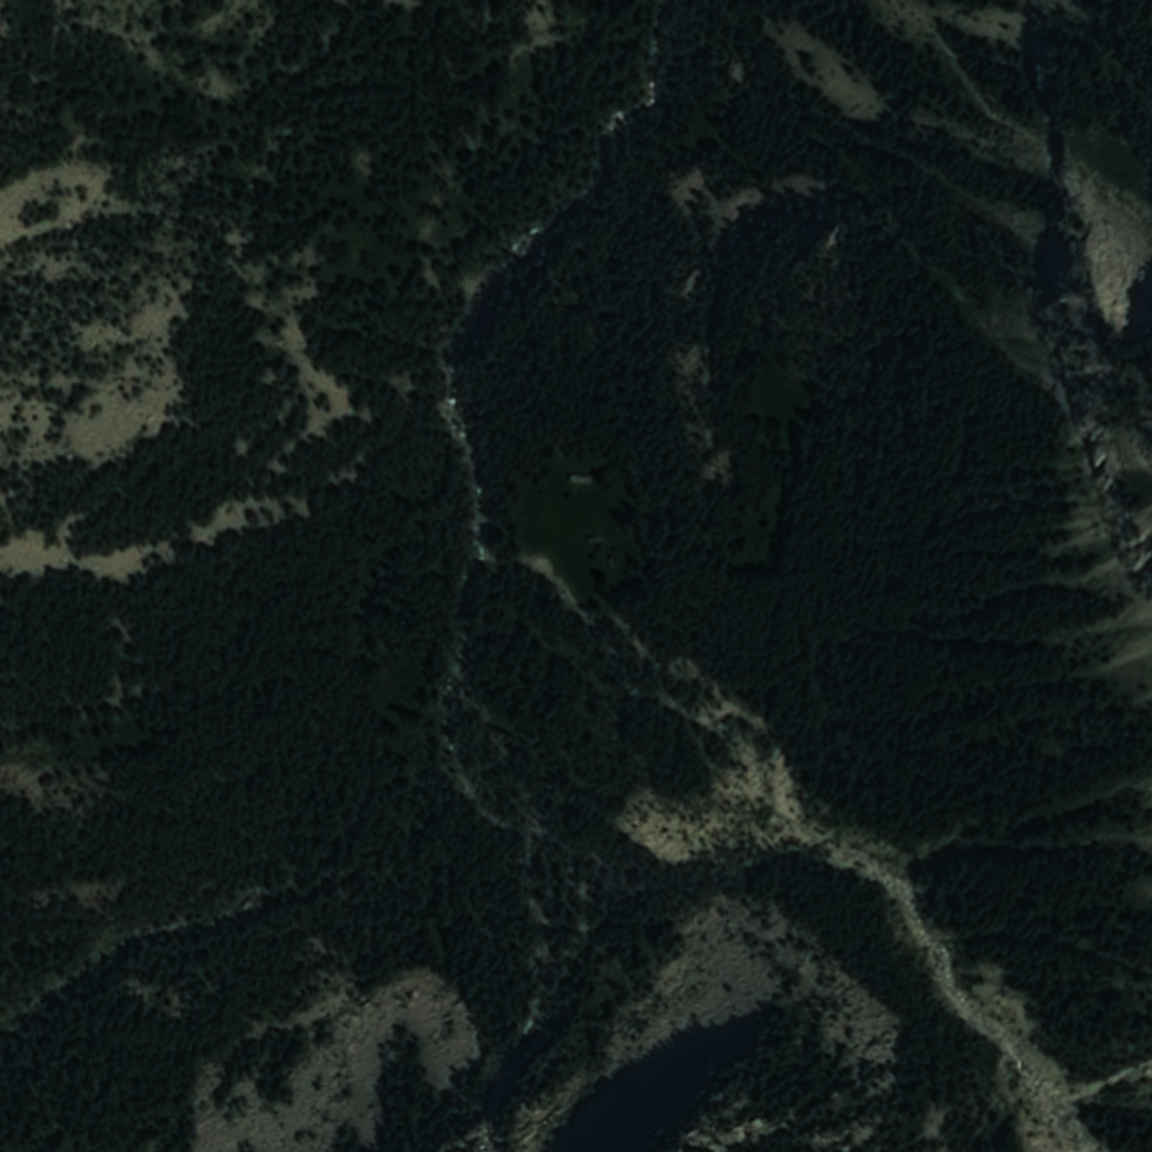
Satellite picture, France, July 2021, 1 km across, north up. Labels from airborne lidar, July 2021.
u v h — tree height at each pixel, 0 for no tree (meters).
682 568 32
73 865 23
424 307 22
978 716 25
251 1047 20
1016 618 28
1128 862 10
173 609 19
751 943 8
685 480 23
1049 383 0
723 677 24
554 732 28
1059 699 23
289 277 13
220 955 19
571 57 26
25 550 0
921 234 21
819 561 34
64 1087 17
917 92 17
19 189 0
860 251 22
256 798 21
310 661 29
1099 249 0
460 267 20
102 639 26
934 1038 25
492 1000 8
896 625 21
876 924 21
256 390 25
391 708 10
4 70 9
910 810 27
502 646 25
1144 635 0
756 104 22
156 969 22
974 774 24
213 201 19
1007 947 18
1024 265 9
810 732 25
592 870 23
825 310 15
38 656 19
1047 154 0
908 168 25
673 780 22
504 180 21
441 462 8
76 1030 20
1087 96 20
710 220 21
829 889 28
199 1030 22
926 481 29
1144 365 10
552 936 26
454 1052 0
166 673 24
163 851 18
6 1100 19
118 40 7
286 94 12
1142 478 0
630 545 0
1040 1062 0
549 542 0
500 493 28
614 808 28
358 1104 0
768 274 15
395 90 23
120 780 14
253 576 29
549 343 22
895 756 22
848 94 0
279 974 17
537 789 21
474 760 26
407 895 19
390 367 23
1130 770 17
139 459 23
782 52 15
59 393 14
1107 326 9
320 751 26
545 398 27
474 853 28
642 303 29
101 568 0
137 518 15
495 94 24
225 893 15
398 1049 14
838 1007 11
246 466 21
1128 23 21
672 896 21
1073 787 21
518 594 28
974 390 22
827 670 14
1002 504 7
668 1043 0
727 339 28
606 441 24
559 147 17
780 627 29
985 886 25
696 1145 27
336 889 27
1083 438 0
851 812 26
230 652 26
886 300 22
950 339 20
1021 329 0
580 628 30
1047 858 22
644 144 30
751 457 27
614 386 25
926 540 29
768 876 27
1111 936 18
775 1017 17
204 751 21
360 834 30
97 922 13
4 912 20
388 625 28
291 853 22
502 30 22
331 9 20
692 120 23
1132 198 0
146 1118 9
